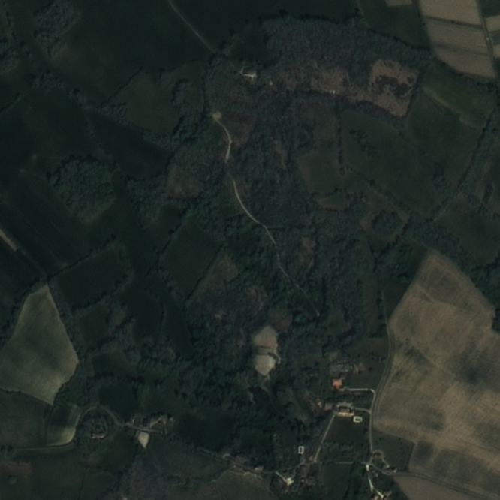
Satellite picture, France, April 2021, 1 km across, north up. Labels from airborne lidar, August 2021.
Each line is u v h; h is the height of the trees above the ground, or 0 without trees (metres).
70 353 0
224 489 0
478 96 0
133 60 0
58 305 15
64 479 0
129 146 0
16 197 0
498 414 0
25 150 0
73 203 21
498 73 0
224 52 18
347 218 17
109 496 18
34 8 0
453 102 0
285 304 16
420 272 0
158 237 0
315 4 0
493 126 14
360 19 20
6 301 0
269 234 19
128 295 0
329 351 14
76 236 0
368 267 16
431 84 0
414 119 0
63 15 9
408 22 0
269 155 19
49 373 0
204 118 7
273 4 0
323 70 9
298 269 16
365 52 15
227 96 7
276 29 21
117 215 0
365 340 15
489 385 0
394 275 7
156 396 0
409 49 20
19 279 0
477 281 14
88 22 0
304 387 21
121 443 0
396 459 0
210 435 0
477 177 10
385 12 0
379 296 9
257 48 0
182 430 0
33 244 0
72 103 0
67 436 0
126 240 0
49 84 8
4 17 0
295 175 19
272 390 0
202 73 0
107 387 13
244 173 17
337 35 21
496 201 0
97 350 12
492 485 0
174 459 0
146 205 20
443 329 0
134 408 0
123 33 0
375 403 0
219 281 0
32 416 0
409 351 0
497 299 11
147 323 0
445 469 0
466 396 0
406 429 0
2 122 0
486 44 0
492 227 0
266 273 9
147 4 0
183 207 8
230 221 10
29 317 0
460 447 0
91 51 0
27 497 0
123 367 0
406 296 0
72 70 0
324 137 0
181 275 0
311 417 0
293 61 13
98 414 0
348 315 32
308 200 16
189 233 0
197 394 7
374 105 10
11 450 13
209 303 0
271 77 20
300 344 20
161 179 12
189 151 21
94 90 0
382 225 19
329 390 10
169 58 0
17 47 0
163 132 0
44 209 0
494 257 0
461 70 0
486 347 0
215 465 0
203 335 22
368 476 18
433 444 0
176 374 19
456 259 17
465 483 0
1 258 0
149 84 0
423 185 0
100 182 27
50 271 0
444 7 0
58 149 0
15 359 0
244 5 0
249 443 0
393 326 0
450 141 0
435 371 0
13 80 0
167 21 0
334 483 0
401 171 0
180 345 0
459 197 15
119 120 6
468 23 0
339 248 11
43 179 0
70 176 21
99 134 0
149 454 0
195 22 0
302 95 12
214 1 0
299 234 8
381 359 7
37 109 0
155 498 0
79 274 0
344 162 12
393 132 0
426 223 20
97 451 13
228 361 20
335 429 0
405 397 0
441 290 0
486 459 0
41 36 14
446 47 0
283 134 8
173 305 0
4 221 0
